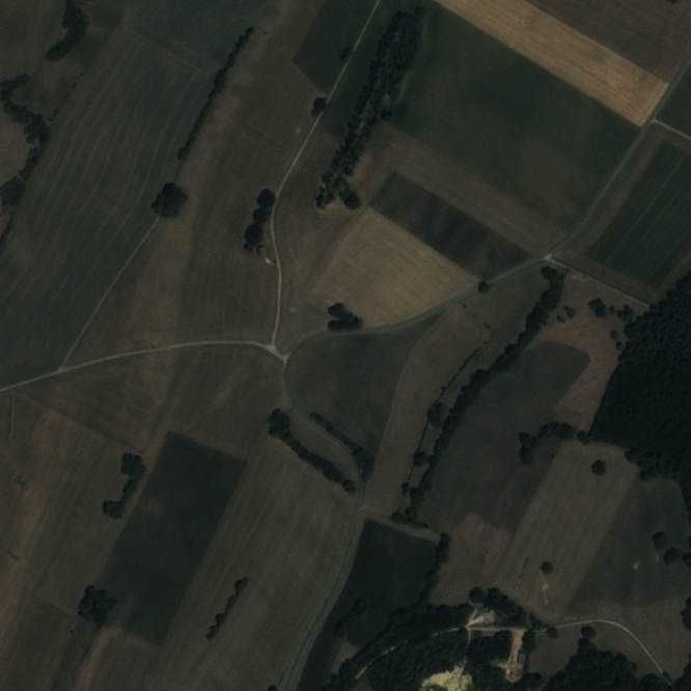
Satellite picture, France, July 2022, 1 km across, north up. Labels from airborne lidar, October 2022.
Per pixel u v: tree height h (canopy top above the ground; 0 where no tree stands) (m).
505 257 0
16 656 0
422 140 0
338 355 0
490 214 0
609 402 11
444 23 0
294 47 0
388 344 0
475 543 0
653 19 0
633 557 0
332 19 0
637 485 0
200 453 0
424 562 0
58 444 0
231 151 0
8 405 0
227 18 0
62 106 0
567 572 0
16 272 0
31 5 0
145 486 0
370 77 0
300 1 0
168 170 0
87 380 0
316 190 0
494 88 0
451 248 0
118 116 0
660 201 0
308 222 0
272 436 11
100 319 0
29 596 0
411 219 0
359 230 0
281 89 0
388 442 0
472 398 10
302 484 0
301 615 0
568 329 0
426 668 9
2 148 0
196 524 0
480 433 0
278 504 0
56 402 0
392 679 8
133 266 0
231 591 0
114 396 0
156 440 0
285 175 0
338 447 0
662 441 6
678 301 22
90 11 0
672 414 8
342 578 0
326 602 0
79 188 0
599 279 0
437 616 15
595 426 7
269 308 0
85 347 0
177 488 0
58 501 0
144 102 0
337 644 0
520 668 0
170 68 0
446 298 0
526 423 0
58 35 0
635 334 21
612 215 0
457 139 0
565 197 0
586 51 0
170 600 0
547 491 0
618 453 0
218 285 0
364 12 0
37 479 0
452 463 0
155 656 0
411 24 30
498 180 0
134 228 0
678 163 0
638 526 0
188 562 0
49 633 0
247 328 0
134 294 0
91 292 0
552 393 0
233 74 0
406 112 0
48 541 0
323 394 0
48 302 0
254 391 0
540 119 0
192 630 0
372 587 0
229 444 0
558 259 0
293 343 0
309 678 0
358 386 0
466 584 0
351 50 9
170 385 0
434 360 0
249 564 0
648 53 0
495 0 0
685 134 0
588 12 0
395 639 12
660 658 0
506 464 0
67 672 0
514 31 0
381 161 0
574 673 25
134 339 0
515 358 13
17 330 0
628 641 0
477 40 0
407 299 0
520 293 0
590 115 0
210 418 0
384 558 0
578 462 0
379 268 0
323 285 0
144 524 0
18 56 0
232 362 0
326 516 0
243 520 0
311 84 0
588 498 0
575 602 0
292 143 0
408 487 11
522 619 15
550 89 0
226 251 0
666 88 0
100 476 0
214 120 0
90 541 0
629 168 0
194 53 0
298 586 0
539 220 0
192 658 0
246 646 0
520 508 0
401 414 0
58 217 0
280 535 0
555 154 0
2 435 0
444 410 11
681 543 0
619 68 0
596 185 0
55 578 0
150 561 0
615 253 0
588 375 0
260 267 0
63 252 0
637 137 0
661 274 0
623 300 0
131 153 0
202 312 0
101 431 0
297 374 0
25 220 0
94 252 0
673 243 0
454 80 0
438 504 0
